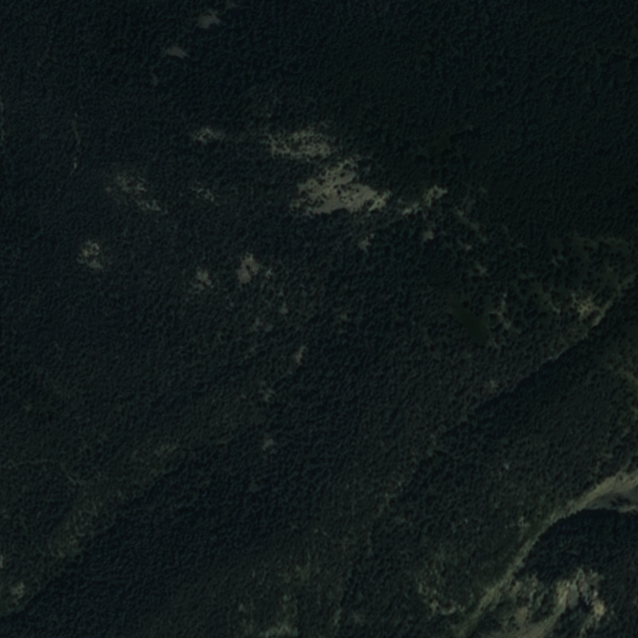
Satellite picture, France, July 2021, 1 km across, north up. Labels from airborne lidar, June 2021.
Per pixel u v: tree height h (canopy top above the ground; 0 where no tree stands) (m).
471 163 20
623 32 16
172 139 7
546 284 9
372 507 7
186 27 11
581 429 10
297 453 19
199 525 12
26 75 14
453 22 24
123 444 12
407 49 28
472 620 0
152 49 15
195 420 7
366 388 9
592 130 24
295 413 9
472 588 7
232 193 7
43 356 9
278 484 13
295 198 5
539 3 27
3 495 10
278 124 14
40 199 10
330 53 19
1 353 10
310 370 17
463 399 8
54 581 11
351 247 18
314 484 7
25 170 11
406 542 7
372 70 22
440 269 24
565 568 11
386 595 11
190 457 15
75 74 8
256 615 9
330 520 10
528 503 8
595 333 8
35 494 11
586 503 0
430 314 14
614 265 6
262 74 23
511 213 13
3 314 13
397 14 17
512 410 18
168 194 12
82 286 10
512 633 0
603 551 16
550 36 22
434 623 7
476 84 24
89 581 7
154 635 8
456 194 14
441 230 14
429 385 12
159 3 9
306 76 17
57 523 11
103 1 16
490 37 26
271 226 10
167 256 7
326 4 18
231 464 12
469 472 9
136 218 8
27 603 11
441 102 26
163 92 18
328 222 21
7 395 11
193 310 8
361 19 16
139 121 13
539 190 19
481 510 14
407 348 7
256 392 9
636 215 10
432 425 11
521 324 15
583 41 25
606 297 11
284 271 8
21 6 11
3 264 12
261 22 21
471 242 12
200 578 9
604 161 19
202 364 8
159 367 7
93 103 11
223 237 7
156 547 13
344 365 12
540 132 20
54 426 8
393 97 27
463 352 14
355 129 12
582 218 12
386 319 16
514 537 6
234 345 7
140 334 13
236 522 9
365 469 10
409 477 12
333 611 9
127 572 6
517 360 14
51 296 8
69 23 12
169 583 13
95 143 14
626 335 10
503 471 9
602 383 11
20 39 7
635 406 8
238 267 10
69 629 14
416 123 19
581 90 21
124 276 9
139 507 17
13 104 7
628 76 22
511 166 21
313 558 10
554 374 23
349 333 13
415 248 19
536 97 15
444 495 10
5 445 13
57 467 8
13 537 9
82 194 8
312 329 6
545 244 17
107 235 6
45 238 11
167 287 7
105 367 8
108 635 12
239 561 9
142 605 12
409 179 14
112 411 8
